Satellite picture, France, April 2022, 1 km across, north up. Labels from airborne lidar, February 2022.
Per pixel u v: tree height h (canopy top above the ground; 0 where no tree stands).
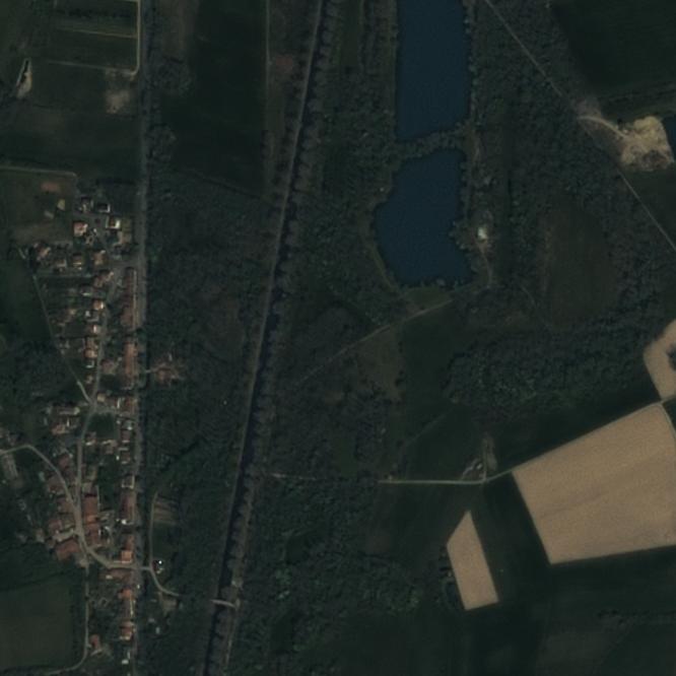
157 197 19
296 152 17
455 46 0
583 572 0
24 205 0
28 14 0
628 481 0
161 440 24
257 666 11
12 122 15
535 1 21
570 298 0
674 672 0
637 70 0
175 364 0
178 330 23
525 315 0
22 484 0
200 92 0
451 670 0
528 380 19
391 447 0
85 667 0
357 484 16
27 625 0
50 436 9
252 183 0
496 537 0
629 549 0
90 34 0
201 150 0
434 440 0
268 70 0
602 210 20
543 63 18
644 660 0
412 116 0
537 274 17
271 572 23
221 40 0
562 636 0
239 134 0
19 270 0
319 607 22
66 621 0
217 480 21
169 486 0
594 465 0
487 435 0
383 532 0
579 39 0
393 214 0
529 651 0
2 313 0
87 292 0
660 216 0
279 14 0
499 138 24
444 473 0
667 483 0
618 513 0
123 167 0
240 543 27
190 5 0
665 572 0
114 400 0
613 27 0
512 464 0
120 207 22
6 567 0
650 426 0
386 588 26
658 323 29
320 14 20
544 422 0
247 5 0
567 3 0
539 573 0
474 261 14
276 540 20
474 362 21
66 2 0
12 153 0
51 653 0
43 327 0
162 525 0
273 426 16
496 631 0
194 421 0
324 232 16
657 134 0
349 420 18
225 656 32
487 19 25
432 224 0
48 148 0
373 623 0
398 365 0
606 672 0
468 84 0
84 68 0
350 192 21
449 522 0
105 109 0
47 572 0
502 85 25
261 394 0
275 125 0
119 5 0
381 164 23
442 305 0
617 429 0
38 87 0
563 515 0
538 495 0
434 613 0
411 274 0
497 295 11
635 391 0
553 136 20
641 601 0
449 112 0
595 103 0
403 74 0
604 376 26
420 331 0
